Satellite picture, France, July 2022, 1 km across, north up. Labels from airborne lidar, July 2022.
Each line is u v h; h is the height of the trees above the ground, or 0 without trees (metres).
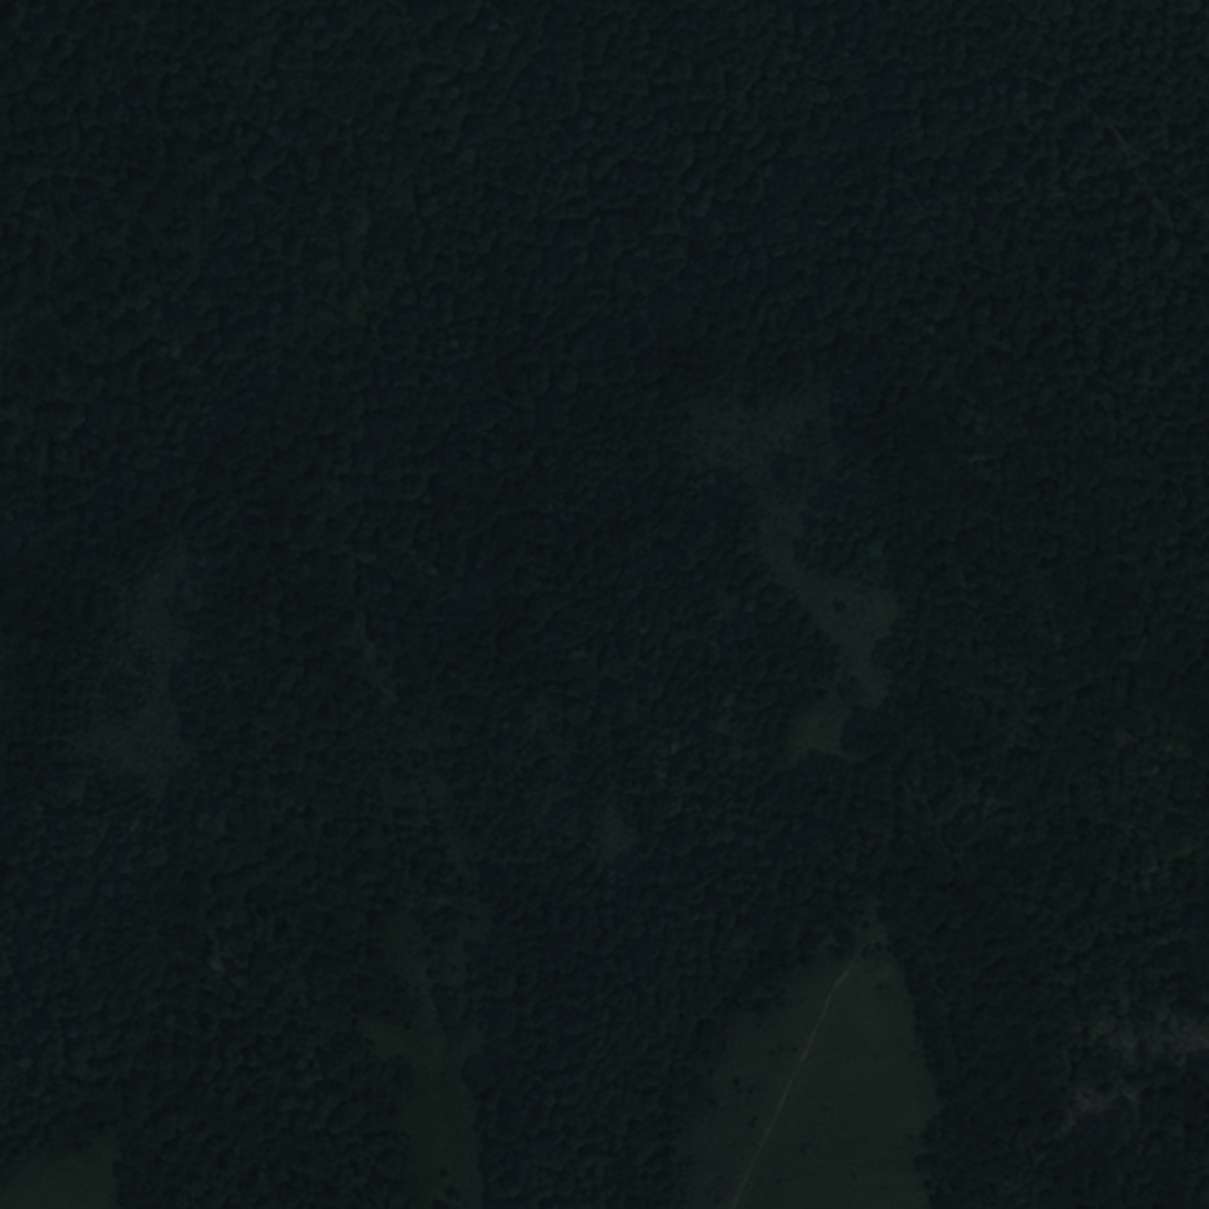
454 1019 13
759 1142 0
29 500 16
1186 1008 23
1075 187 35
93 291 20
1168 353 9
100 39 33
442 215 30
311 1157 36
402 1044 0
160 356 35
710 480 6
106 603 17
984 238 32
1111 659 31
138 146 29
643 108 27
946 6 30
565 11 30
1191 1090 17
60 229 7
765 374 14
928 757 25
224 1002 34
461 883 8
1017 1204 28
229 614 17
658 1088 17
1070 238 15
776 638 17
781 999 8
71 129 29
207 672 15
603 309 7
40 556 27
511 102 33
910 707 17
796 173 33
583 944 23
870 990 0
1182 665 14
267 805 26
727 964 27
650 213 32
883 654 10
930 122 32
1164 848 29
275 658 21
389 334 25
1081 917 30
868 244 32
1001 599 25
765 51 30
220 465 25
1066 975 24
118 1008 25
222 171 27
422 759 9
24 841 27
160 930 23
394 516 27
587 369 25
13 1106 22
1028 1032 26
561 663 23
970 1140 24
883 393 15
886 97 26
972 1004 19
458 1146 0
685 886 30
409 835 9
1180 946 31
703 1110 0
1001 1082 25
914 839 28
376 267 22
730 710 9
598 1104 27
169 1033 20
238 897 20
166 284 23
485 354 30
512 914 15
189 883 13
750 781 16
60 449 34
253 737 25
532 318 31
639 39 31
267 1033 32
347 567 31
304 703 23
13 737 13
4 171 25
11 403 28
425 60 10
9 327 13
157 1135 22
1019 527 25
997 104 33
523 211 27
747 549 16
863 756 9
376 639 22
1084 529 29
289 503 30
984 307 28
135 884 29
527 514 21
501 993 14
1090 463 24
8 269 10
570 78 33
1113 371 31
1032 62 32
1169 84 32
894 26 32
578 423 28
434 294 23
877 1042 0
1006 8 28
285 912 21
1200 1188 26
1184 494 28
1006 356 29
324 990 29
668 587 13
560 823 10
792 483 9
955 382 25
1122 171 10
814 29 27
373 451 29
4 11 8
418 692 11
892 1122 0
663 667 15
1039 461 29
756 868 17
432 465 29
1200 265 8
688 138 32
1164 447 31
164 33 26
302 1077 34
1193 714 31
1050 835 33
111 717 8
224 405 13
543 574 8
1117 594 28
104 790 11
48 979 28
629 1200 18
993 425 32
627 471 12
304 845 19
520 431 31
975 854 23
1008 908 25
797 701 13
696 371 16
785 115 28
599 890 15
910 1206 0
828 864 21
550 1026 19
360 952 15
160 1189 17
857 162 20
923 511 23
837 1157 0
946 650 25
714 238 33
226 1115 20
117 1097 11
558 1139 26
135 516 32
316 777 17
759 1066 0
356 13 28
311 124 25
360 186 14
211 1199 25
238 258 34
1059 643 21
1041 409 32
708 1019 18
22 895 17
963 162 9
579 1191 24
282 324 30
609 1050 25
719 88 33
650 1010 24
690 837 22
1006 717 29
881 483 14
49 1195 0
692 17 32
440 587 11
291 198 20
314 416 26
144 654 7
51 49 30
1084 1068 22
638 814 10
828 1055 0
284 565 26
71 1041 21
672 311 35
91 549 23
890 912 20
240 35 7
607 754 11
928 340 23
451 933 7
